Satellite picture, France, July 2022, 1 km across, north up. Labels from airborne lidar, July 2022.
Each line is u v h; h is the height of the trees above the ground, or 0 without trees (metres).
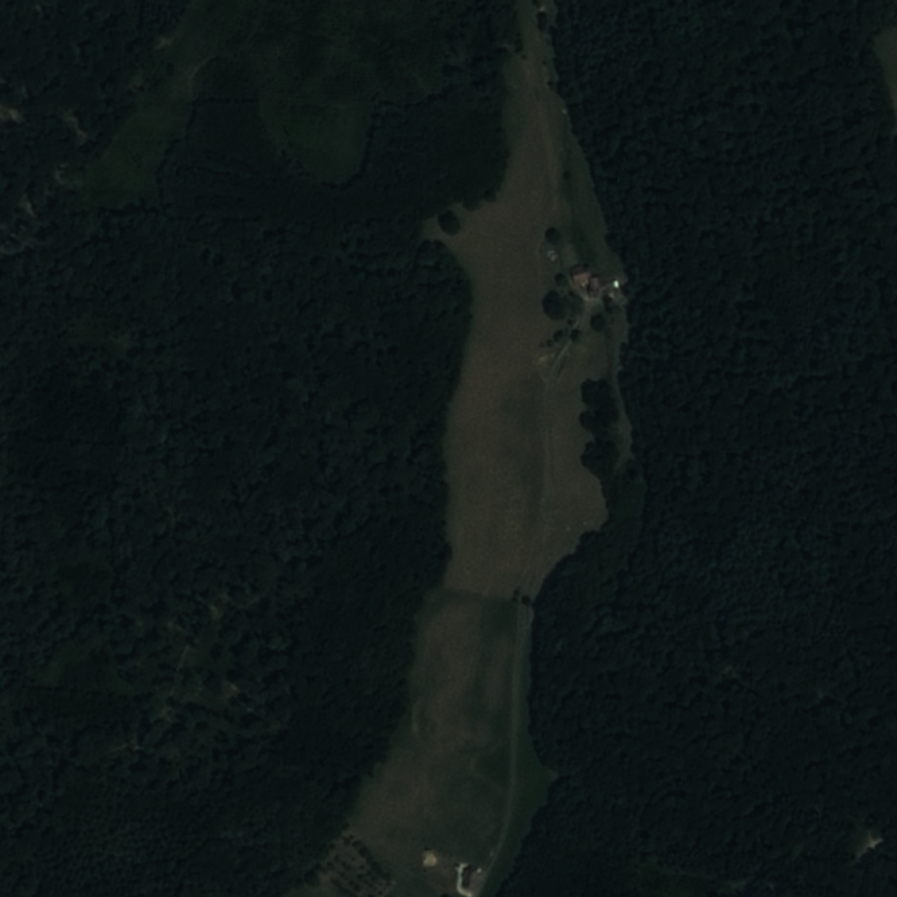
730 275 31
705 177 25
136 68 22
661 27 17
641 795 25
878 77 25
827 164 30
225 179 16
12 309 28
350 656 16
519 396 0
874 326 32
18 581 25
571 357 0
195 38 0
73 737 11
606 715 27
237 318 27
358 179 15
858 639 23
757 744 29
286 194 17
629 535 6
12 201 29
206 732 24
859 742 23
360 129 0
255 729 29
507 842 0
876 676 28
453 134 14
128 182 0
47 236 27
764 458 27
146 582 24
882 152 23
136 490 12
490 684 0
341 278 24
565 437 0
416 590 23
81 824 21
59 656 16
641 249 26
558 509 0
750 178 33
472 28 26
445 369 26
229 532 22
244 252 28
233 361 24
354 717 25
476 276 0
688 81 23
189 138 9
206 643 25
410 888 0
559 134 0
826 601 28
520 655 0
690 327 34
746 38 26
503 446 0
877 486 29
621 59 28
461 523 0
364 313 23
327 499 24
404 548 26
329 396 21
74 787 21
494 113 13
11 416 24
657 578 20
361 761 17
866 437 23
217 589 23
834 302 11
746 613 31
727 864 24
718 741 31
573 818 25
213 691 25
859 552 26
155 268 23
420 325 28
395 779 0
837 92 33
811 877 26
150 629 0
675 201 29
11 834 6
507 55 18
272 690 25
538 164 0
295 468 24
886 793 27
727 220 27
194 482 22
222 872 22
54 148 25
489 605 0
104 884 17
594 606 13
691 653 28
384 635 26
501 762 0
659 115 20
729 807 27
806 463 34
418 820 0
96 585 7
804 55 27
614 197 25
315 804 26
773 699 29
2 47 20
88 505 21
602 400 20
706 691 30
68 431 14
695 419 25
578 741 24
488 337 0
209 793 19
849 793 25
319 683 21
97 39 25
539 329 0
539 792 0
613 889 15
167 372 22
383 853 0
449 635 0
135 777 22
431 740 0
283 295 24
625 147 29
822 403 30
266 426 25
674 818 28
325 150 0
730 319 29
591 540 18
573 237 0
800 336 10
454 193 15
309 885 11
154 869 21
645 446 18
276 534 27
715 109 27
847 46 29
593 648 24
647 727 30
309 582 27
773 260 25
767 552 32
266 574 24
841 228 28
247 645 27
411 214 13
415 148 16
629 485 7
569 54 20
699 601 24
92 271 30
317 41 6
